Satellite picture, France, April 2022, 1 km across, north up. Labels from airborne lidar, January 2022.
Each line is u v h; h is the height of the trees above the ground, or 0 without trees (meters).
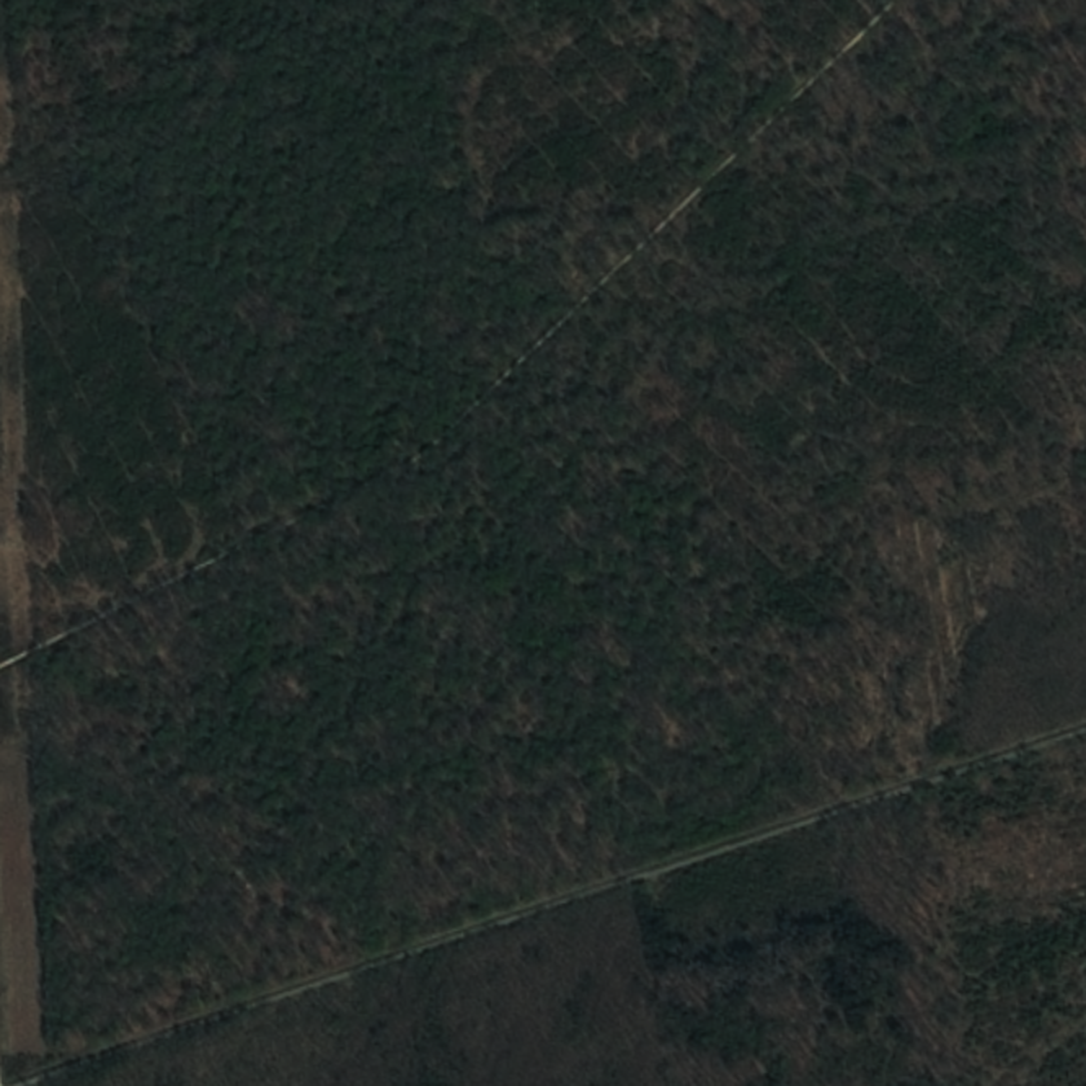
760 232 27
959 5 32
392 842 27
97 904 26
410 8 25
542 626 25
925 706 0
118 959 26
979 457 24
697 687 27
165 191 28
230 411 24
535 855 29
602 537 25
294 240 20
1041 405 5
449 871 25
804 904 6
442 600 28
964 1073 20
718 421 12
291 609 25
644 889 12
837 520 29
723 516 26
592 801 29
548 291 25
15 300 0
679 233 23
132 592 7
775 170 25
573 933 13
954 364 11
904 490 24
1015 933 8
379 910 28
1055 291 25
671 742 26
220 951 29
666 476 24
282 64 21
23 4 21
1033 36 13
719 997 23
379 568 26
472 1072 11
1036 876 28
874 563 13
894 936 19
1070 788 0
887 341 8
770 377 24
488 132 24
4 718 0
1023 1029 7
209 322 24
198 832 28
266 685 25
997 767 19
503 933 13
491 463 24
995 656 16
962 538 17
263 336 26
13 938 0
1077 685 14
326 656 26
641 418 26
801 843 6
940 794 16
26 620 0
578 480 14
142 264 27
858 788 21
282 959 24
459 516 24
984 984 6
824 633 14
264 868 27
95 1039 25
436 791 26
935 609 0
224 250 21
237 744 24
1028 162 27
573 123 7
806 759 22
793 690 22
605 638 24
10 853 0
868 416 7
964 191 23
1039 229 25
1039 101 26
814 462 24
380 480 19
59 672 20
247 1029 14
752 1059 17
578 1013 15
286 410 28
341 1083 15
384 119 19
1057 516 19
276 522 24
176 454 12
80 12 19
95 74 13
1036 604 17
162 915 27
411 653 25
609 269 27
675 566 25
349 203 24
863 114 0
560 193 8
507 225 26
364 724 25
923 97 26
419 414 22
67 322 7
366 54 23
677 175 23
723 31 25
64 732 23
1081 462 17
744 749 24
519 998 14
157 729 21
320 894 27
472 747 29
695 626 24
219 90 24
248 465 24
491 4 25
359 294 22
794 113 14
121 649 26
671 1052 22
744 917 7
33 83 24
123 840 21
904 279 11
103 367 8
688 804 27
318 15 20
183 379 22
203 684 25
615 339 23
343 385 24
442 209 21
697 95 12
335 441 23
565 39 0
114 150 19
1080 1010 7
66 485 6
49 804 24
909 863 23
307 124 22
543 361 28
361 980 15
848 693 20
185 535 6
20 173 20
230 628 23
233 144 25
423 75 25
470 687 28
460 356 21
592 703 28
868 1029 16
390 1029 14
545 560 21
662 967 13
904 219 24
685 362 24
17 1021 0
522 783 23
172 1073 16
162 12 21
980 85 27
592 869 27
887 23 21
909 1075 9
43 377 19
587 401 25
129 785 28
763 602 7
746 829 17
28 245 9
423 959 13
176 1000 13
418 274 22
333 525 26
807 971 9
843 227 24
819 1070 13
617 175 8
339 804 26
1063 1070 8
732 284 26
